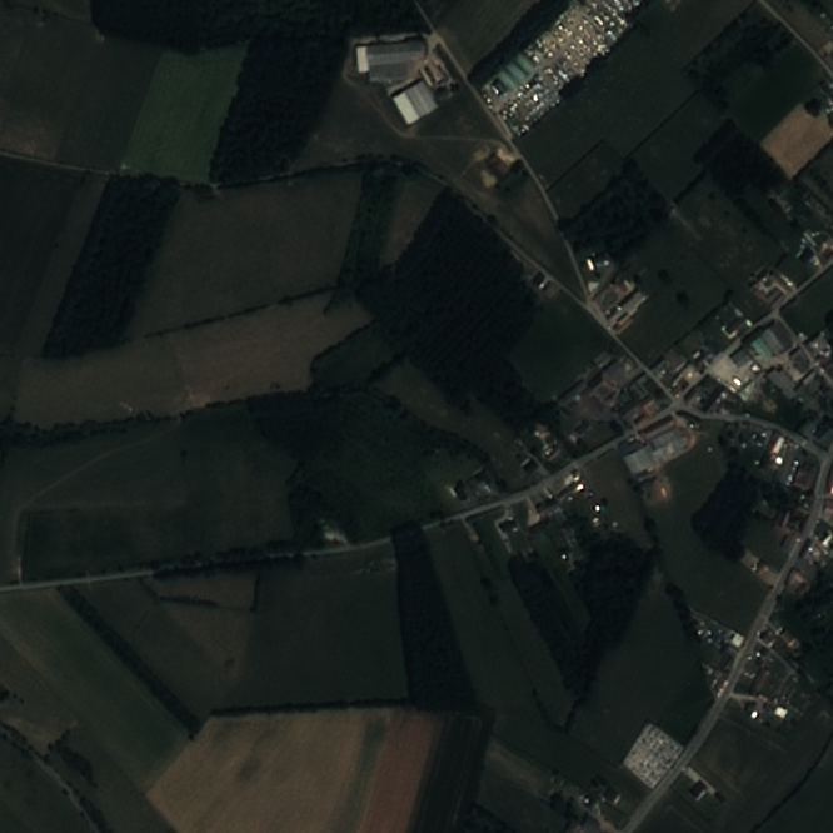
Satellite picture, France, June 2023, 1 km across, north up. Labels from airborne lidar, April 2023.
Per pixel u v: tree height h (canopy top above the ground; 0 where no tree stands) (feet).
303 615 0
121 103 0
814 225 0
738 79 0
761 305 0
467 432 0
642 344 0
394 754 0
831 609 0
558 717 0
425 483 0
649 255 0
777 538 0
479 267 86
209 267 0
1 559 0
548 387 0
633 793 0
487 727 0
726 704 0
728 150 41
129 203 58
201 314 0
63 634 0
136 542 0
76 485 0
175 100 0
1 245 0
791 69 0
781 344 0
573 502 0
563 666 100
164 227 46
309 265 0
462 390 55
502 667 0
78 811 0
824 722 0
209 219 0
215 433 0
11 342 0
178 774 0
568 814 19
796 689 0
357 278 26
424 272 75
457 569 0
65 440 26
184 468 0
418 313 51
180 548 0
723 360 0
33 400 0
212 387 0
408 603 96
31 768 0
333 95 0
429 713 0
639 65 0
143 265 49
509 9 0
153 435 0
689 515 0
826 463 0
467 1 0
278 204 0
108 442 0
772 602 0
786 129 0
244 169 52
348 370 0
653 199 61
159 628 0
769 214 0
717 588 0
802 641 0
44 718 0
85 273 48
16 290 0
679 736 0
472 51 0
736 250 0
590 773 0
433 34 0
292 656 0
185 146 0
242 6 25
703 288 0
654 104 0
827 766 0
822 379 21
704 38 0
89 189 0
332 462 0
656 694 0
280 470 0
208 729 0
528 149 0
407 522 0
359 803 0
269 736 0
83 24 0
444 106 0
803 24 0
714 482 0
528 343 0
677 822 0
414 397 0
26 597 0
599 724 0
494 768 0
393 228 0
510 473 0
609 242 58
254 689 0
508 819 0
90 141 0
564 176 0
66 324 50
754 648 0
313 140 0
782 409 0
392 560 0
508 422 47
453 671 104
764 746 0
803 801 0
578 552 0
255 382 0
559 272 0
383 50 0
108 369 0
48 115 0
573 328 0
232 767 0
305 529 21
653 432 0
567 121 0
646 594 0
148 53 0
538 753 0
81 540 0
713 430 0
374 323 19
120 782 0
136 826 0
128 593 0
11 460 0
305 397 22
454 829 0
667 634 0
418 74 0
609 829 0
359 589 0
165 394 0
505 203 0
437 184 0
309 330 0
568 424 0
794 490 27
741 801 0
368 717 0
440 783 0
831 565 0
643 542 0
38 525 0
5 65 0
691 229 0
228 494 0
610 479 0
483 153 0
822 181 20
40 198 0
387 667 0
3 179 0
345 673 0
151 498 0
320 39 60
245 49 0
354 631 0
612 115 0
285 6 25
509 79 0
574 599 0
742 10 0
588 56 0
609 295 0
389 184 39
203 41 29
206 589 0
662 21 0
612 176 0
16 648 0
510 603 0
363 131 0
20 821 0
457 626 0
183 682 0
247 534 0
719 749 0
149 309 0
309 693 0
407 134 0
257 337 0
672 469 0
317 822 0
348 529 19
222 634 0
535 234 0
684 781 0
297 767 0
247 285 0
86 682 0
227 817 0
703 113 0
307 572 0
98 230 53
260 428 18
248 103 70
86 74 0
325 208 0
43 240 0
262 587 20
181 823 0
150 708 0
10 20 0
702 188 0
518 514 0
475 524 24
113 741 0
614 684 0
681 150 0
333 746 0
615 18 0
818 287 0
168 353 0
